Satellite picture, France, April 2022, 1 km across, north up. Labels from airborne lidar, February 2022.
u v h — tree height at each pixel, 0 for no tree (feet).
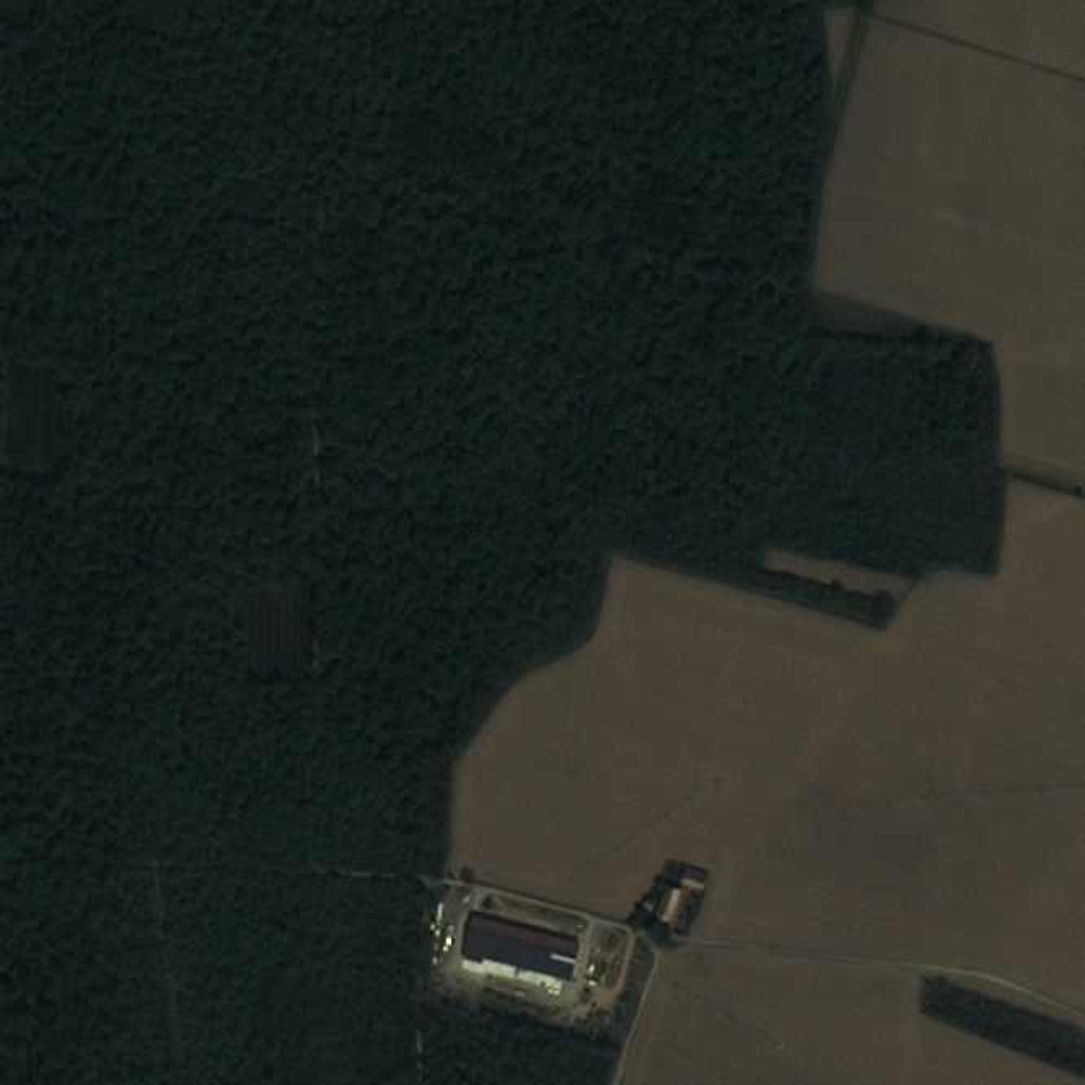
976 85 0
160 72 53
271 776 38
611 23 66
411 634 54
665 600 0
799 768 0
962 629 0
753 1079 0
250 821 55
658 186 45
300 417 47
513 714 0
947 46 0
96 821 35
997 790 0
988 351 57
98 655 45
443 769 53
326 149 61
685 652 0
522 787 0
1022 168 0
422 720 57
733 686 0
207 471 69
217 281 34
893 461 71
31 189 64
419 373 73
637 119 44
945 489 73
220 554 65
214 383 58
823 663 0
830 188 0
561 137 66
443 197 47
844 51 0
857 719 0
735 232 27
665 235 51
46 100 62
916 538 47
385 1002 38
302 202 48
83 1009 62
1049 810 0
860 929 0
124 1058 47
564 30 60
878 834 0
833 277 0
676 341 70
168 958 30
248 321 31
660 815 0
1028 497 0
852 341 44
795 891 0
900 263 0
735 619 0
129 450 71
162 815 25
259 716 51
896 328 0
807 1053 0
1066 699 0
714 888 0
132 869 51
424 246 66
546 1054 46
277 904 45
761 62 70
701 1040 0
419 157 40
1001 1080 0
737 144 72
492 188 44
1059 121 0
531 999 0
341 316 62
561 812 0
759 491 32
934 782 0
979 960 0
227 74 62
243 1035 52
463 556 50
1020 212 0
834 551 35
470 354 36
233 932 48
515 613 55
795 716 0
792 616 0
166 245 44
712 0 59
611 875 0
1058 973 0
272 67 47
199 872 34
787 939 0
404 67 53
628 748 0
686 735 0
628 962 0
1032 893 0
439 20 59
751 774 0
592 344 66
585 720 0
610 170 58
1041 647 0
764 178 63
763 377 66
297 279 52
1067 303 0
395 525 56
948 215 0
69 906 51
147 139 57
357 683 66
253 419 75
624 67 45
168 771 45
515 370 21
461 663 54
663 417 45
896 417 56
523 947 0
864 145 0
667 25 58
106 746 54
